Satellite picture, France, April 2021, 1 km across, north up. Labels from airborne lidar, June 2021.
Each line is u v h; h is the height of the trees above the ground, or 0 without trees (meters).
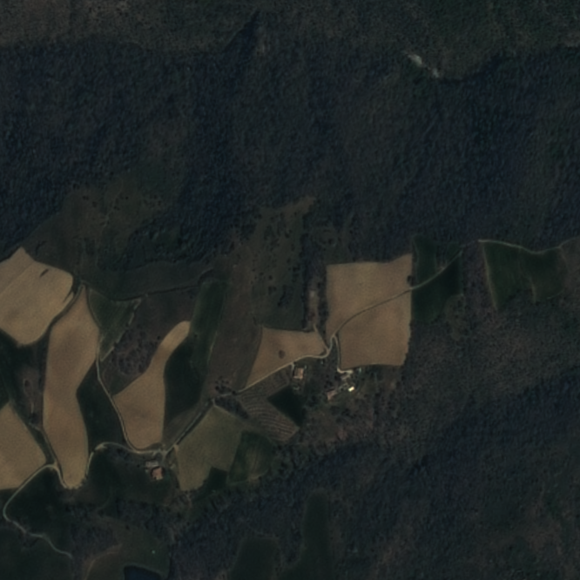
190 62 14
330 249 0
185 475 0
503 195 8
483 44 9
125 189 0
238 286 0
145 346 6
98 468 0
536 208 11
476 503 7
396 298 0
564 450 0
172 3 8
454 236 9
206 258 0
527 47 12
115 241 0
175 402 0
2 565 0
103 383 0
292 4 6
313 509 0
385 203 15
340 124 11
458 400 19
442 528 10
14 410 0
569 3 8
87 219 0
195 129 20
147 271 0
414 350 6
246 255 0
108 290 0
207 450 0
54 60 13
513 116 12
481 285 6
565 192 16
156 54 14
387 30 10
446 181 10
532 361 9
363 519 18
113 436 0
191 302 0
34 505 0
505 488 6
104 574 0
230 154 6
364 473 12
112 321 0
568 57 12
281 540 8
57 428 0
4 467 0
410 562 13
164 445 0
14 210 10
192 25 8
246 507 21
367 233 11
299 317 0
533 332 11
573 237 6
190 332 0
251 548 0
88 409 0
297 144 10
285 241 0
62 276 0
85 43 17
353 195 9
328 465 12
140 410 0
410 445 9
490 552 0
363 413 8
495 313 9
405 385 8
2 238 8
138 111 8
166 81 9
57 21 12
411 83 13
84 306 0
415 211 11
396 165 14
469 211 9
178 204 9
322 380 0
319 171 15
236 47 10
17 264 0
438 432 22
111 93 20
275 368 0
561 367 7
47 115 7
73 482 0
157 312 0
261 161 13
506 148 10
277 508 13
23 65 13
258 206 6
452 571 8
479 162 7
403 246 13
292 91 15
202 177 16
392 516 6
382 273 0
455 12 11
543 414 13
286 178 19
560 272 0
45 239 0
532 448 8
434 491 18
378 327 0
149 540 0
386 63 10
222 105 12
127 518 13
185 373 0
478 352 8
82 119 16
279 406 0
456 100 24
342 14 7
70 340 0
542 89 11
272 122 9
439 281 0
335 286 0
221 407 13
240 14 9
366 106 11
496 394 12
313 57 6
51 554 0
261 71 11
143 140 7
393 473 14
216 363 0
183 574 9
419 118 21
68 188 7
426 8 6
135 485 0
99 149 9
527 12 9
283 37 13
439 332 13
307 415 13
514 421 10
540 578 9
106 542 15
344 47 10
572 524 6
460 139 22
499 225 9
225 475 0
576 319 7
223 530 27
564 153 15
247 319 0
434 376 11
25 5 7
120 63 18
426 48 10
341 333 0
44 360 6
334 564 0
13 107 10
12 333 0
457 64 8
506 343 7
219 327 0
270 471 8
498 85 10
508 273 0
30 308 0
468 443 10
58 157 7
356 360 0
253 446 0
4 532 0
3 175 12
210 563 17
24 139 14
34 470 0
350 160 8
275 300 0
